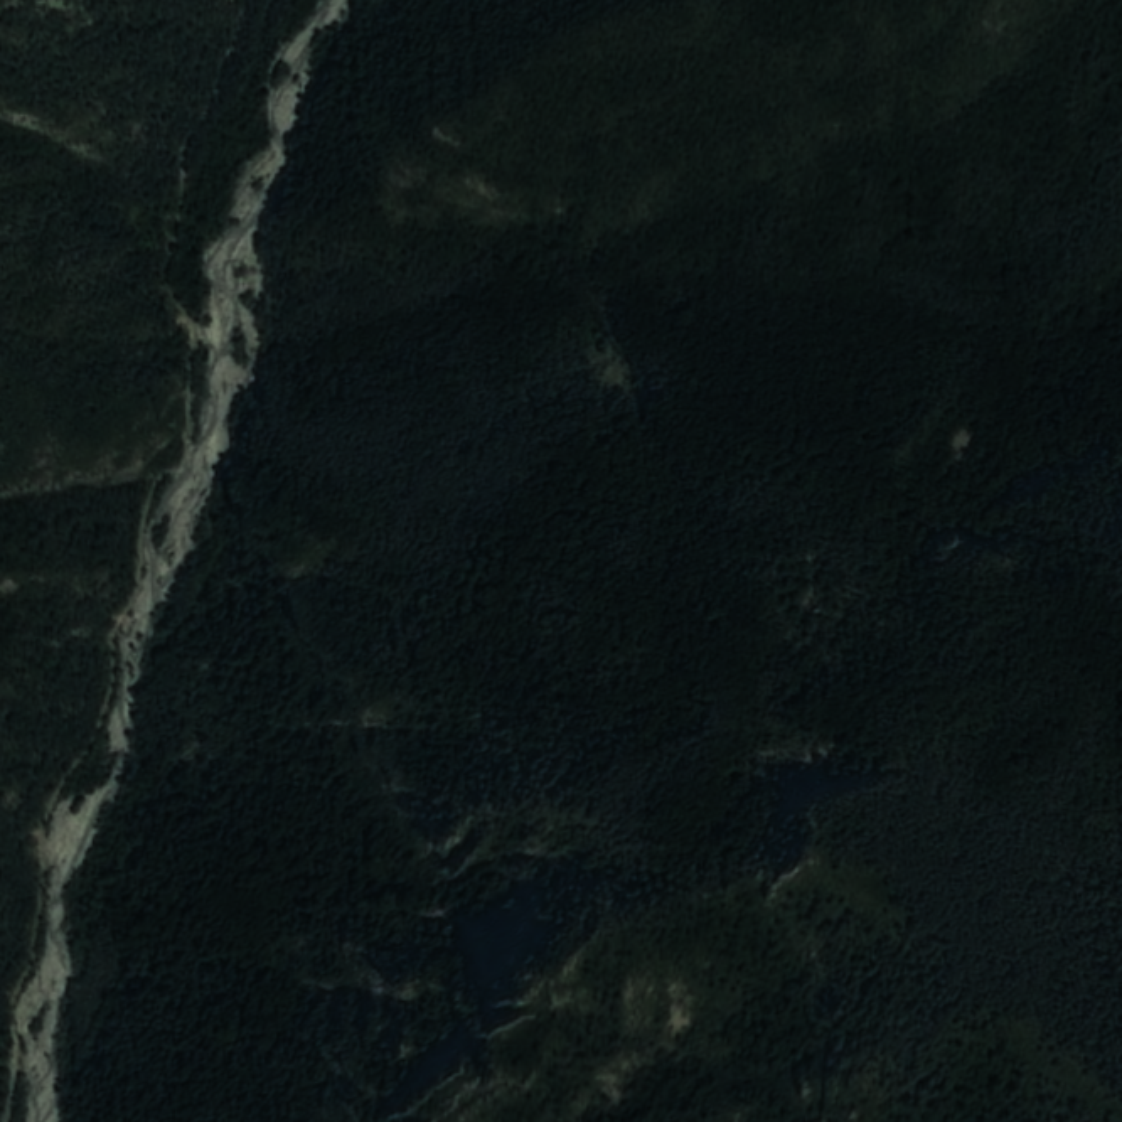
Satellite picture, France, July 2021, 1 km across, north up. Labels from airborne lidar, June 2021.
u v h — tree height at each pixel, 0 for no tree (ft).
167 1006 21
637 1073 26
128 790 43
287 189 58
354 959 26
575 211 28
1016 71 22
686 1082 43
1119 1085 45
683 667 64
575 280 55
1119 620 72
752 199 32
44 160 26
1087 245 55
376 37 31
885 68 19
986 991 36
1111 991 66
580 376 41
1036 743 89
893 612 55
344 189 37
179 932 69
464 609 70
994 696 43
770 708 39
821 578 34
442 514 58
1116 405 76
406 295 40
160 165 34
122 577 28
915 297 58
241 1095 30
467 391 56
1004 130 37
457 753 31
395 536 35
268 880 75
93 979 31
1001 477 70
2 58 49
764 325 55
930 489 43
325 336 64
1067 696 68
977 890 60
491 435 46
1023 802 52
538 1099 22
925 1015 51
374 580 52
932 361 45
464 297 58
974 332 69
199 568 43
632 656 19
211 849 57
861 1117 26
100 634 22
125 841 33
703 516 63
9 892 41
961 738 35
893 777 35
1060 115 42
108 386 22
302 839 45
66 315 27
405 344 42
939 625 40
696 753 68
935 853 57
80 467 0
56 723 50
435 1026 34
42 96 30
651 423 62
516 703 37
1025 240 58
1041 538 39
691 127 25
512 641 57
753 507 43
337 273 54
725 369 78
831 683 58
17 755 18
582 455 77
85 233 43
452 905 45
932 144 20
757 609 59
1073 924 68
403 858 18
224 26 21
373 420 60
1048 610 44
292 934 28
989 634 40
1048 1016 43
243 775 49
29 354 34
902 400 71
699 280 53
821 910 30
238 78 57
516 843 40
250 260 0
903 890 40
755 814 73
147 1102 40
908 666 42
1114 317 82
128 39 37
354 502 40
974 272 62
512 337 56
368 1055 35
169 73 31
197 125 45
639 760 74
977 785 77
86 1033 36
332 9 0
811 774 34
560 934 30
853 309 64
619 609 64
